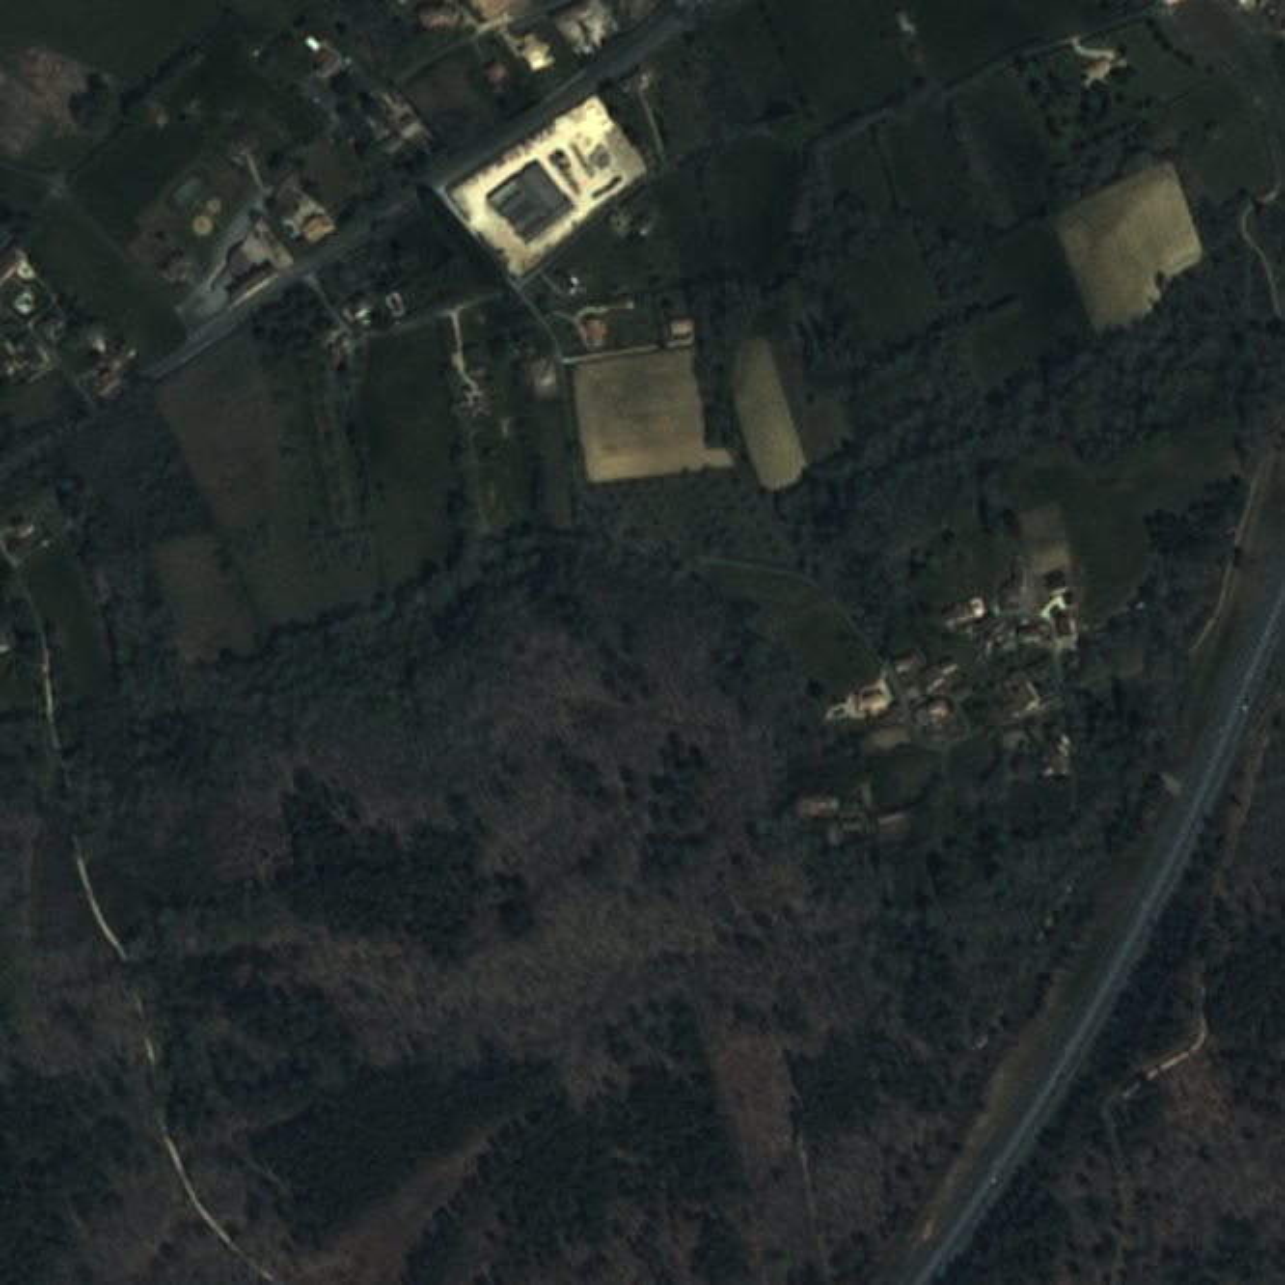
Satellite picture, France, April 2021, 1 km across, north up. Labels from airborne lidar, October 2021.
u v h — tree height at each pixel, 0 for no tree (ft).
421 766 62
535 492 23
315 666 78
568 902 52
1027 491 0
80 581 0
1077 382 76
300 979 47
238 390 0
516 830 47
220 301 0
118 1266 50
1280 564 0
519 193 0
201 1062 86
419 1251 0
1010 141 0
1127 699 39
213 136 0
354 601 0
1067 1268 33
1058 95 29
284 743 72
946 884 77
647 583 40
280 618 0
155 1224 50
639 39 0
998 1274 58
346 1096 53
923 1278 0
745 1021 21
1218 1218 36
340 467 21
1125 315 0
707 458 0
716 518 20
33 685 28
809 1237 37
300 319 20
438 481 0
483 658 66
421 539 0
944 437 75
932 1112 66
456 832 49
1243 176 0
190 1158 39
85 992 54
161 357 0
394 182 58
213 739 64
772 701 66
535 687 61
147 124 42
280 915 53
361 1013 22
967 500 73
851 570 71
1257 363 47
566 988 59
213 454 0
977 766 0
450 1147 71
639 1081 49
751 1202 78
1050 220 47
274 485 0
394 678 50
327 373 21
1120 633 51
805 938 37
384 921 85
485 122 0
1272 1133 33
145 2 0
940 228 0
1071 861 27
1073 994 0
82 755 49
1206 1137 45
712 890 50
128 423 41
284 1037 49
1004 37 0
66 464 51
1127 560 0
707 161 21
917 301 0
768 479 0
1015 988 21
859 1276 34
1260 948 78
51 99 0
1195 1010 54
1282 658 23
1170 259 0
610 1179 73
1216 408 25
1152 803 44
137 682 63
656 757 35
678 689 43
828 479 30
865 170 0
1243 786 47
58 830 28
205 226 0
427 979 51
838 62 0
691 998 36
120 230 0
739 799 38
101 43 0
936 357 55
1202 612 44
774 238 0
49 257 0
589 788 78
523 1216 65
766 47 0
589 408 0
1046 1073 0
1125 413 55
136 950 74
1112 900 0
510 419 0
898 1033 32
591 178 0
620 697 74
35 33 0
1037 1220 39
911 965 79
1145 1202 37
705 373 56
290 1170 77
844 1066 79
